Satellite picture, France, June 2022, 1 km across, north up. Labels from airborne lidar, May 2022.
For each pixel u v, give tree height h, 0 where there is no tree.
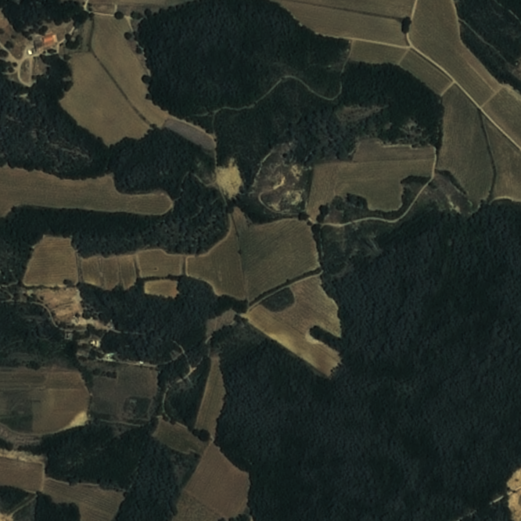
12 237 12
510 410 13
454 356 17
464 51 0
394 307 18
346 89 6
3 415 0
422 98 12
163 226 12
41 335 18
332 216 0
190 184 6
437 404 16
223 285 0
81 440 14
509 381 19
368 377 18
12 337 16
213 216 12
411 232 7
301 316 0
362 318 17
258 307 0
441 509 9
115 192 0
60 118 19
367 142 0
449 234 11
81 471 6
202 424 0
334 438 18
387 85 10
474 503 10
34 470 0
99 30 0
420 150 0
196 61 10
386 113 15
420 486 17
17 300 10
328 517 15
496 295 22
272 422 19
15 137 19
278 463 15
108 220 9
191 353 18
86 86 0
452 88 0
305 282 0
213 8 15
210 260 0
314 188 0
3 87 20
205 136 0
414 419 18
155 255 0
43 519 14
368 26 0
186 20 15
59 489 0
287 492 12
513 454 15
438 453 17
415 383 13
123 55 0
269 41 12
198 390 6
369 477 20
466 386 18
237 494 0
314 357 0
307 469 19
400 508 14
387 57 0
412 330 19
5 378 0
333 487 17
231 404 14
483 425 16
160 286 0
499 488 8
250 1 13
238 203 19
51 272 0
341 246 0
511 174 0
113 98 0
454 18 0
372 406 13
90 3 6
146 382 0
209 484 0
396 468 13
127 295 17
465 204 0
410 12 0
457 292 15
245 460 14
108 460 12
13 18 10
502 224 21
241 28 12
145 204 0
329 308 0
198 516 0
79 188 0
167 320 12
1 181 0
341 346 19
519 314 18
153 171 14
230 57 9
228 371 8
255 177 14
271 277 0
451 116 0
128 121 0
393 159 0
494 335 22
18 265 8
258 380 14
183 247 19
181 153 19
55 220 10
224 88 7
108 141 0
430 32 0
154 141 16
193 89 7
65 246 0
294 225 0
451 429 17
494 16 7
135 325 8
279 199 0
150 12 12
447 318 13
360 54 0
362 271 9
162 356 6
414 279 18
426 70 0
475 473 12
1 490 14
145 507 15
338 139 20
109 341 8
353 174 0
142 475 18
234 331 12
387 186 0
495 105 0
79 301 0
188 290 15
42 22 7
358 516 12
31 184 0
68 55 10
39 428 0
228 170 0
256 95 9
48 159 13
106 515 0
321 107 5
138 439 7
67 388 0
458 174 0
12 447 12
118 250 17
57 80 11
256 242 0
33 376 0
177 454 6
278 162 0
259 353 11
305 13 0
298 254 0
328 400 15
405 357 16
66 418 0
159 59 14
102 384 0
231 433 19
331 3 0
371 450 14
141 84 0
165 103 16
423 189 0
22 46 0
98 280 0
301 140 24
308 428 17
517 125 0
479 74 0
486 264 17
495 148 0
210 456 0
